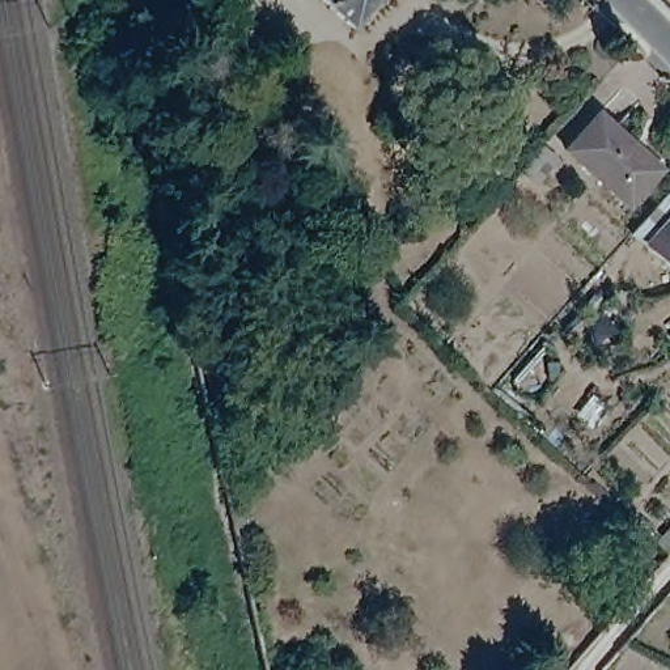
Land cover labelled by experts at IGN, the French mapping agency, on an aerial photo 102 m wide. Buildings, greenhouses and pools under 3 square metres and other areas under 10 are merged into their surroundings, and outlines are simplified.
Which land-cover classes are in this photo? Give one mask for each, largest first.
<instances>
[{"label":"herbaceous vegetation","instance_id":"1","mask_svg":"<svg viewBox=\"0 0 670 670\"><path fill-rule=\"evenodd\" d=\"M44 16L52 24L50 58L63 110L65 147L71 160L76 162L73 178L84 256L92 259L97 251H102V233L107 220L105 209L118 207L136 215L149 207V199L147 170L139 178H133L120 168L123 160L118 154V147H102L92 136L94 118L89 115L86 102L76 92V65H65L60 55V31L65 29L68 18L58 8V0H42ZM152 13L149 24H183L186 29L188 26V8L194 5V0H139ZM602 0H432V5H440L445 10L466 13L468 24L476 26L479 42H487V37L500 42H531L542 34L557 39L560 34H568L571 29L581 26L594 10H599ZM432 42L424 34H414L403 24L400 29L387 31L382 42H377L372 55L351 52L340 42H311L309 79H293L285 92L301 102L314 99L319 94L327 102L330 113L340 120L343 131L348 133V147L356 154V175L369 188L366 199L374 212H385L390 181L406 186L414 175L416 168L403 160L400 144L395 139L379 141L369 123L385 115L387 102L398 99V92L403 89L411 65H416L424 47ZM591 63L589 71L597 76V84L620 63L607 58L602 47L597 39L584 44ZM529 126H537L542 133H547L557 115L550 113V105L539 97V86L529 89ZM29 267V262L24 254V236L18 228V209L10 186L5 131L0 120V670H99L102 652L86 597L68 474L63 448L58 440L55 403L50 393L47 356L39 348L34 304L21 280V270ZM455 230V222L448 217L442 225L432 228L424 241L403 243L400 256L395 259V275L400 283H406L408 275L419 270L432 256V251ZM633 285L646 288V296L657 298V304L652 309L631 314L628 322V327L633 335V361H649L657 351L654 338H662V330L670 327V262L646 243V238H633L605 267H599V272L589 283V291H578L576 283H568L565 306L542 327L547 335L560 332V340H555V353L560 361L565 374L555 387L544 398L537 419H542L547 408L557 416L581 419L584 406L591 398L599 400L602 411L597 427H589L591 437H605L612 421L623 419L628 411L639 406V400H618V387L631 379V374L610 379L607 369L602 366H581L568 348L576 343L578 335L573 330L576 319L594 298H610L620 291H631ZM372 301L377 304L382 319L395 327V356L382 359L374 369H364L359 400L338 414L340 432L332 450H314L309 458L298 463H285L283 471L272 479V489L264 497H256L254 505L243 513H238V500H233L230 489L220 492V479L215 471L209 474L212 505L225 531L228 557L233 560L236 571L233 594L243 599L246 618H254L251 597V589L243 586V576L249 573V555L256 547L251 537L262 531H267L277 563L272 576V591L267 597L264 610L272 626V636L280 641L304 639L317 626L327 628L338 644L348 646L359 657V665L364 670H534V660H539L542 654H552L560 641L565 646H573L571 662L563 670H578V657L599 639V633L591 628L584 610L571 599V594L563 586L547 578L518 576L508 565L503 550L513 544L516 534L537 531L547 552L560 555L568 552L576 542H597L602 537V523L607 521H636L639 516L633 505L628 500H620L612 489L602 495L599 503H594L584 497L586 487L573 479L571 471L555 463L550 455H544L537 445L526 450L529 461L544 466L550 476L547 492L531 495L521 476L510 466L500 463L495 455L508 448V437L505 432H497V414L484 403V398H479L471 390V385L463 377L453 374L429 351L419 332L411 330L390 309L387 288L385 283H374ZM437 437H450L458 442V455L453 461L437 458ZM311 568L330 571V578L335 581L332 594H314L311 584L304 578ZM280 599H298L304 610L301 623H288L285 618H280ZM406 605H411L414 610V636L403 649H379L364 641L361 633L369 628L374 615ZM544 379V356L537 353L529 361V366L516 377V382L526 390H537ZM225 377L207 374L204 369L194 372L191 387L199 408H215L225 400ZM102 398L110 445L113 453L126 458L123 408L118 395L107 390L102 393ZM170 518L181 521V516L175 508H170L154 510L147 521L144 513L133 516L141 539L144 571L152 591L154 626L162 628V641L157 646V665L162 670H204L196 662V654L183 644L186 623L178 615L173 612V597L165 594L154 581V560L170 544L157 542L149 550V534L157 529V523L165 526ZM636 636L660 646L662 652H670V597L644 620ZM612 670H657V660L626 649L610 662Z\"/></svg>","mask_w":670,"mask_h":670},{"label":"deciduous trees","instance_id":"2","mask_svg":"<svg viewBox=\"0 0 670 670\"><path fill-rule=\"evenodd\" d=\"M264 5L262 0H194V5L188 8V26H199L204 37H215L209 50L217 60L212 65V73L217 79H188L183 86L170 89L162 76H144V63L136 60L126 47L131 37H141L149 29V24L152 13L139 0H58V8L68 18L65 29L60 31V55L65 65H76V92L86 102L89 115L94 118L92 136L102 147H118V154L123 160L120 168L133 178H139L147 170L149 199L173 196L175 186L168 183L165 173H173L186 165H209L220 170H233V181H241L238 194L246 204H241L238 212L222 215L217 225V254L225 256L220 272H196V267H188L168 251L160 249L154 280L183 283L194 291V304L188 306L186 319L168 314V332L173 335L178 351L188 359L194 372L204 369L207 374L225 377V400L215 408H199L209 445V463L215 466V471L220 479V492L230 489L233 500H238V513H243L254 505L256 497H264L272 489V479L283 471L285 463H298L309 458L314 450H332L340 432L338 414L359 400L364 369H374L382 359L395 356V327L382 319L377 304L372 301L374 283H385L387 288L400 283L395 275V259L400 256L403 243L424 241L432 228L442 225L448 217L455 222V230L463 236V241L471 236L474 228L484 222V217L495 212L503 204H510V196L518 188V178L531 168V162L539 157L550 139L547 133H542L537 126H529V89L539 86V97L550 105V113L557 115H568L573 120L589 99H597V76L589 71L591 63L584 44L560 50L555 44L550 52L539 58L537 71L518 76L513 86L510 81H505L503 60L492 55V50H461L448 39L432 42L424 47L416 65H411L403 89L398 92V99L387 102L385 115L369 123L379 141L395 139L400 144L403 160L416 168L414 175L406 186L390 181L385 212H374L366 199L369 188L356 175V170L338 173L330 165H311L306 160L293 157V133L319 136L322 118L330 113L327 102L319 94L314 99L301 102L285 92L293 79H309L311 42L309 34L298 31L291 39L270 42L254 52L249 37L256 26V10ZM657 110L649 131V144L657 154L662 149H670V89L654 97ZM612 118L628 133H639L644 107L631 105L615 110ZM427 306H432L437 314L453 317L455 322L466 319L474 306V288L455 267L442 270L440 277L432 280L424 293ZM657 304V298L646 296V288L633 285L631 291H620L610 298H594L576 319L573 330L578 335L576 343L568 348L581 366H602L607 369L610 379L631 374L654 369L670 359V327L662 330V338H654L657 351L649 361H633V335L628 327L623 330L620 343L610 348L605 356H594L591 348L584 345V330L605 317H618L628 322L631 314L652 309ZM618 400H639V406L644 414H665V398L662 393H657V387L639 385L631 379L618 387ZM458 455V442L450 437H437V458L453 461ZM495 455L500 463L510 466L521 476L531 495L547 492L550 476L544 466L529 461L526 450L518 440L508 437V448ZM620 500H628L633 505V497L639 495V482L633 471H628L615 482L612 489ZM508 565L518 576L547 578L563 586L571 594V599L584 610L591 628L599 633L618 623L628 607H633L636 597L652 584V576L667 557L660 534H652L639 516L636 521H607L602 523V537L597 542H576L568 552L560 555L547 552L537 531L516 534L513 544L503 550ZM256 547L249 555V573L243 576V586L251 589V597H267L272 591V576L277 563L267 531H262L251 537ZM304 578L311 584L314 594H332L335 581L330 578V571L311 568ZM207 571H191L173 597V612L178 615L191 612L202 599ZM280 618H285L288 623H301L304 610L298 599H280ZM364 641L379 649H403L414 636V610L411 605H406L374 615L369 628L361 633ZM270 670H364L359 665V657L348 646L338 644L327 628L317 626L304 639L280 641Z\"/></svg>","mask_w":670,"mask_h":670},{"label":"pervious surface","instance_id":"3","mask_svg":"<svg viewBox=\"0 0 670 670\"><path fill-rule=\"evenodd\" d=\"M52 24L44 16L42 0H0V120L5 131L10 186L18 209V228L24 236V254L29 262V267L21 270V280L34 304L39 348L47 356L50 393L55 403L58 440L63 448L68 474L86 597L102 652L99 670H162L157 665V646L162 641V628L154 626L152 591L144 571L141 539L133 516L128 508L131 492L126 458L113 453L110 445L102 398V393L107 390L110 366L105 361L102 348L92 343V330L99 327V319H94V309L99 306V301L97 288L89 285L92 259L84 256L73 178L76 162L71 160L65 147L63 110L50 58ZM264 5L256 10V26L249 37L254 52L270 42L291 39L298 31L309 34L311 42H340L351 52L372 55L377 42H382L387 31L400 29L403 24L414 34H424L432 42L448 39L461 50H492V55L503 60L505 81H510L513 86L518 76L537 71L539 58L550 52L555 44L560 50L584 44L597 39L602 47L605 42L626 31L644 55H652L649 39L628 21L623 10L612 16L610 3L605 0H602L599 10H594L581 26L571 29L568 34H560L557 39L542 34L531 42H500L487 37V42H479L476 26L468 24L466 13L445 10L440 5H432V0H379L369 18L353 24L338 10L335 0H262ZM670 597V557H667L652 576V584L636 597L633 607H628L618 623L599 633V639L578 657V670H612L610 662L626 649V644L636 636L644 620Z\"/></svg>","mask_w":670,"mask_h":670},{"label":"brushwood","instance_id":"4","mask_svg":"<svg viewBox=\"0 0 670 670\"><path fill-rule=\"evenodd\" d=\"M571 183H557L544 199H537L534 191L518 188L510 196V204H503L495 212L510 230V236L526 238L537 236V230L550 220L555 225V236L560 238V243L571 246V251L578 259H584L589 267L594 262H602L607 249H599V241L571 217ZM107 220L102 233V251H97L92 259L89 285L97 288L99 301V306L94 309V319H99V327L92 330V343L102 348L105 361L110 366L107 390L118 395L123 408L126 458L131 492L128 508L133 516L144 513L147 521L154 510L170 508H175L181 516V521L170 518L165 526L157 523V529L149 534V550L157 542L170 544L154 560V581L165 594L173 597L191 571H207L202 599L191 612L178 615L186 623L183 644L196 654V662L204 670H270L280 641L272 636V626L264 610L267 597H251L254 618H246L243 599L233 594L236 571L233 560L228 557L225 531L212 505L209 474L215 471V466L209 463V445L199 408L191 387L194 372L188 359L178 351L173 335L168 332V314L186 319L188 306L194 304V291L183 283L154 280L160 249L168 251L175 249L178 222L188 220L183 215L181 199L173 196L149 199V207L136 215L118 207L105 209ZM463 241V236L455 230L432 251V256L419 270L408 275L406 283H400L387 288L390 309L411 330L419 332L429 351L453 374L463 377L471 385V390L479 398H484V403L497 414V432H505L508 437L518 440L526 450L537 445L544 455H550L555 463L571 471L573 479L586 487L584 497L594 503H599L602 495L612 489L615 482L628 471L618 463L612 448L623 440V434L631 427H636V421L644 414L639 406L628 411L623 419L612 421L605 437H591L589 427L581 419L557 416L547 408L542 419H537L544 398L555 387L552 379H544L537 390H526L516 382V377L529 366V361L537 353L544 356V364L560 361L555 353V340H560V332L547 335L542 327L537 338L529 340L526 348L510 361V366L497 374L495 382H482L468 359L461 351H455L450 340L437 335V330L424 314L408 306V296L414 291L424 293L432 280L440 277L442 270L455 267V249ZM626 649L657 660V670H670V652H662L660 646L636 636L626 644Z\"/></svg>","mask_w":670,"mask_h":670},{"label":"agricultural land","instance_id":"5","mask_svg":"<svg viewBox=\"0 0 670 670\"><path fill-rule=\"evenodd\" d=\"M557 183H571V217L599 241V249H607L602 262H594L589 267L584 259H578L571 251V246L560 243V238L555 236V225L550 220L537 230V236L526 238L510 236V230L495 212L484 217V222L474 228L471 236L463 241L455 249V267L474 288V306L466 319L455 322L453 317L437 314L432 306H427L424 293L414 291L408 296V306L424 314L437 330V335L450 340L455 351H461L468 359L482 382H495L497 374L510 366V361L526 348L529 340L537 338L542 327L565 306L568 283H576L578 291H589V283L599 272V267H605L633 238L636 228L660 204L649 196L633 215H628L623 209V199L612 188H605L602 181L591 175V170L560 139H550L539 157L531 162V168L518 178V188L534 191L537 199H544ZM639 385L657 387V393H662L665 398V414H644L636 421V427H631L623 434V440L612 448L618 463L628 471H633L639 482V495L633 497V505L639 516L652 534H660L670 531V359L654 369L631 374V379Z\"/></svg>","mask_w":670,"mask_h":670},{"label":"coniferous trees","instance_id":"6","mask_svg":"<svg viewBox=\"0 0 670 670\"><path fill-rule=\"evenodd\" d=\"M215 37H204L199 26H188L186 29L183 24H149V29L141 37H131L126 47L136 60L144 63V76H162L170 89L183 86L188 79H217L212 73V65L217 60L209 50ZM607 58L620 63L641 60L644 55L626 31L605 42L602 47ZM293 157L306 160L311 165H330L338 173L356 170V154L348 147V133L343 131L340 120L330 113L322 118L319 136L293 133ZM168 183L175 186L173 196L181 199L183 215L188 220L178 222L175 249L168 251L188 267H196V272H220L225 256L217 254V225L222 215L238 212L241 204H246L238 194L241 181H233V170H220L209 165H186L173 173H165ZM573 646H565L560 641L552 654H542L539 660H534V670H563L571 662Z\"/></svg>","mask_w":670,"mask_h":670},{"label":"building","instance_id":"7","mask_svg":"<svg viewBox=\"0 0 670 670\"><path fill-rule=\"evenodd\" d=\"M379 0H335L338 10L353 24L369 18ZM615 110L602 105L599 115L568 147L591 170V175L602 181L605 188H612L623 199V209L628 215H633L649 196L660 204L636 228L633 238H646V243L670 262V149H662L657 154L649 144L639 139V133H628L612 118ZM628 327V322L618 317H605L584 330V345L591 348L594 356H605L610 348L620 343L623 330ZM565 374L560 361L544 364V379H552L555 387ZM602 411L599 400L591 398L584 406L581 419L589 427H597ZM667 557H670V531L660 534Z\"/></svg>","mask_w":670,"mask_h":670},{"label":"impervious surface","instance_id":"8","mask_svg":"<svg viewBox=\"0 0 670 670\"><path fill-rule=\"evenodd\" d=\"M610 3L612 16L623 10L628 21L649 39L652 55H644L641 60L620 63L597 84V99H589L573 120L568 115H557L547 133L550 139H560L568 147L599 115L602 105L615 110L631 105L644 107L639 133V139L649 144V131L657 110L654 97L670 89V0H605Z\"/></svg>","mask_w":670,"mask_h":670}]
</instances>
